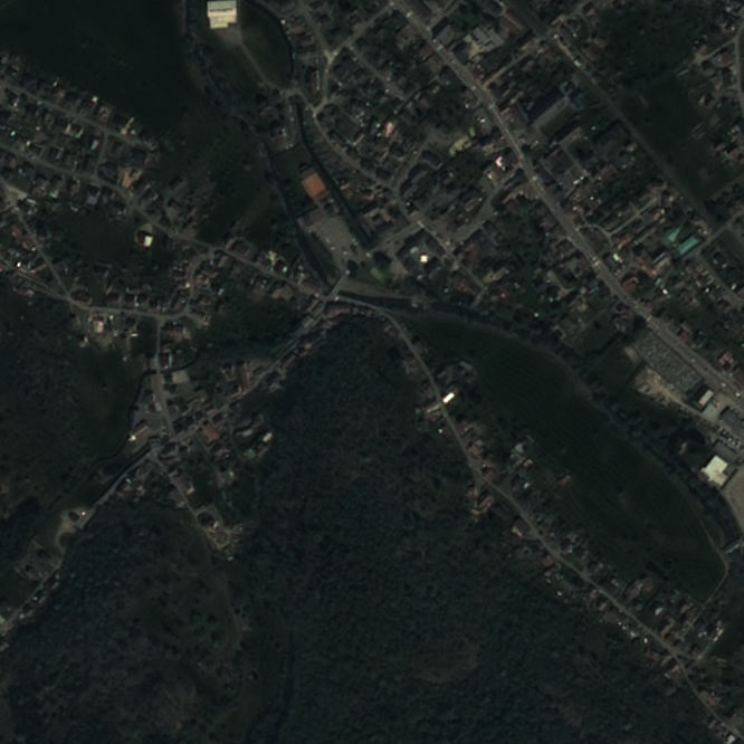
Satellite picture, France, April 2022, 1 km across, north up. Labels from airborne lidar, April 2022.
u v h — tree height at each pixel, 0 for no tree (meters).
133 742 18
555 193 0
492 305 6
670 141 0
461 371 10
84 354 0
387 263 21
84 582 11
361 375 17
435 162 0
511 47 0
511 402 0
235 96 12
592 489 0
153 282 7
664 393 0
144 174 0
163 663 0
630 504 0
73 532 0
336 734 17
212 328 0
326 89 0
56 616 9
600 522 0
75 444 8
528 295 0
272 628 0
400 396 11
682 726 7
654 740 8
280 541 17
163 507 0
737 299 0
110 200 5
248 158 8
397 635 13
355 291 0
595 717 12
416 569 13
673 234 0
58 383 6
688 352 0
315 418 11
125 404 0
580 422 0
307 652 17
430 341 0
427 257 0
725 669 7
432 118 13
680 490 0
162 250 0
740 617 0
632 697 8
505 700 6
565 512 0
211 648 9
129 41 0
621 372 0
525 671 10
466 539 11
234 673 12
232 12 0
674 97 0
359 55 0
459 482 17
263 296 0
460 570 6
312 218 0
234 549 0
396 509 10
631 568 0
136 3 0
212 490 0
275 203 12
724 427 0
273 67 0
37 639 13
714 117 0
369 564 14
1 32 0
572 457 0
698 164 0
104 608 17
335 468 9
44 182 0
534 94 0
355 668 13
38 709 9
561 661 9
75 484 11
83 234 0
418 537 18
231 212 0
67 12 0
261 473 0
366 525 15
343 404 10
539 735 14
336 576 21
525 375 0
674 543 0
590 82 0
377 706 7
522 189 0
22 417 13
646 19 12
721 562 0
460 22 0
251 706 0
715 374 0
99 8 0
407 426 0
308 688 22
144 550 8
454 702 12
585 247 0
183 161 0
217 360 19
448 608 6
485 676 15
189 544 0
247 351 22
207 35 0
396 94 0
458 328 0
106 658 17
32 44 0
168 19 0
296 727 16
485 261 6
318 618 16
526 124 16
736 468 0
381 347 0
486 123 0
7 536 31
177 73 0
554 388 0
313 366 9
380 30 0
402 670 7
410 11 0
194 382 11
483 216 0
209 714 13
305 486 15
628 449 0
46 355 6
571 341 0
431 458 9
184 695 19
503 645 12
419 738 11
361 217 15
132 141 0
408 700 15
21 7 0
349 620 13
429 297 13
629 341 11
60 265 0
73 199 7
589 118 0
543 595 9
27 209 0
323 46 0
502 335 0
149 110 0
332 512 16
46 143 6
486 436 0
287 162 0
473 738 18
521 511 0
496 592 9
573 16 0
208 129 0
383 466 16
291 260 0
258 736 10
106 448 0
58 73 0
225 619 0
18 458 0
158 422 0
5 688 0
